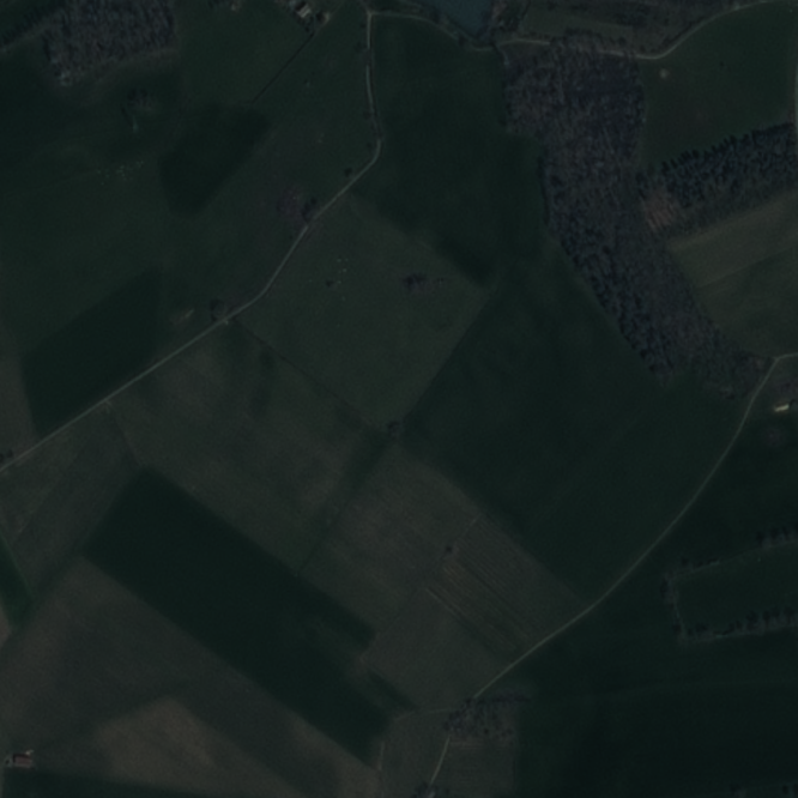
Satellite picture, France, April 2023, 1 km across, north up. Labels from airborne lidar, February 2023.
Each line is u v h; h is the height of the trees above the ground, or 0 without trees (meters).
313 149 0
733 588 0
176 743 0
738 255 0
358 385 0
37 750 0
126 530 0
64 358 0
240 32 0
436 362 0
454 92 0
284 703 0
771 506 0
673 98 0
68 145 0
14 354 0
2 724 0
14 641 0
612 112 6
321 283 0
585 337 0
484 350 0
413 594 0
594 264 20
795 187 18
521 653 0
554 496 0
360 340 0
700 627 0
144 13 27
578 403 0
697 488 0
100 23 22
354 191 0
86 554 0
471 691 0
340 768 0
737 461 0
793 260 0
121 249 0
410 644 0
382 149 0
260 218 0
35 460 0
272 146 0
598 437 0
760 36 0
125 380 0
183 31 0
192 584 0
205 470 0
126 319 0
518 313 0
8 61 0
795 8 0
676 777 0
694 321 18
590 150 19
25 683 0
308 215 14
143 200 0
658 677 0
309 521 0
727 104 0
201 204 0
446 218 0
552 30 0
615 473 0
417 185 0
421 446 0
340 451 0
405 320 0
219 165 0
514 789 0
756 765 0
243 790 0
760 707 0
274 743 0
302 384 0
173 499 0
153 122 0
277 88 0
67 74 17
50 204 0
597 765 0
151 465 0
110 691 0
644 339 21
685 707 0
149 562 0
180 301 0
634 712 0
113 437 0
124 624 0
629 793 0
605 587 0
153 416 0
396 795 0
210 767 0
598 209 14
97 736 0
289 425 0
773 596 0
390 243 0
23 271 0
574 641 0
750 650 0
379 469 0
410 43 0
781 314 0
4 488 0
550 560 0
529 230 0
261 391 0
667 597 19
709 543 0
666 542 0
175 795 0
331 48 0
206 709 0
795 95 0
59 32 8
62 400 0
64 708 0
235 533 0
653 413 0
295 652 0
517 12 0
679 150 0
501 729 12
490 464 0
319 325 0
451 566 0
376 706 0
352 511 0
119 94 0
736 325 0
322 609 0
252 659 0
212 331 0
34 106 0
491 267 0
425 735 0
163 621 0
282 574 0
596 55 18
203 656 0
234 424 0
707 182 20
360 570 0
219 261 0
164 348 0
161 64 0
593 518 0
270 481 0
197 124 0
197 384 0
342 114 0
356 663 0
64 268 0
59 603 0
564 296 0
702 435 0
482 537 0
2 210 0
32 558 0
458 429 0
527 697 0
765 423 0
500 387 0
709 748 0
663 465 0
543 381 0
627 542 0
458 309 0
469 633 0
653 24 0
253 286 0
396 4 0
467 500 0
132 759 0
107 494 0
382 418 0
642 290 15
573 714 0
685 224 15
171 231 0
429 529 0
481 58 0
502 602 0
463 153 0
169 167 0
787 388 0
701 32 0
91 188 0
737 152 19
